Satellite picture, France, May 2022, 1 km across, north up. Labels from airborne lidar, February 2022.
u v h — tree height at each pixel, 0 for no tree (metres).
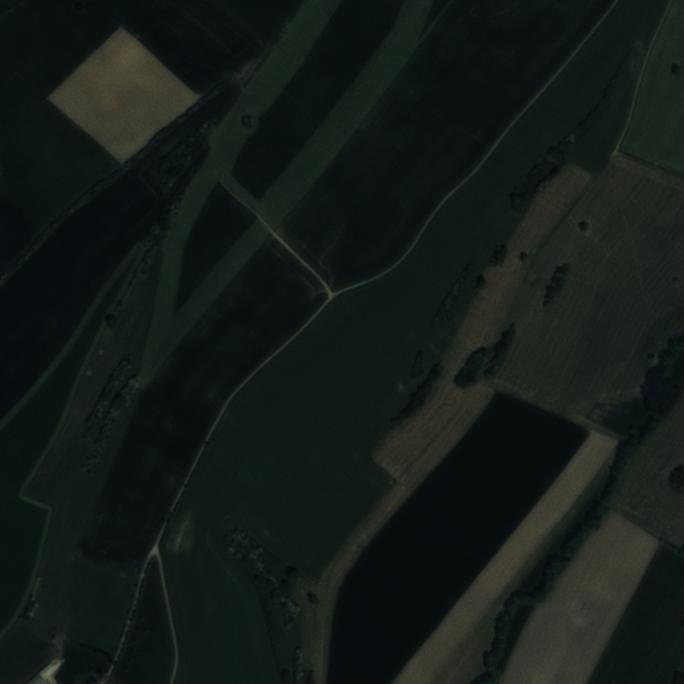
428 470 0
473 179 0
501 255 14
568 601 0
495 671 13
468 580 0
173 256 0
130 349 0
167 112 0
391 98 0
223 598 0
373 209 0
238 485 0
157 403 0
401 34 0
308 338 0
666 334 0
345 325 0
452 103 0
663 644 0
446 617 0
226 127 0
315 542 0
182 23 0
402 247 0
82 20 0
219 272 0
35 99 0
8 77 0
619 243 0
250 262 0
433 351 0
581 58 0
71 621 0
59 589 0
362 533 0
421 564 0
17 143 0
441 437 0
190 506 0
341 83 0
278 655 0
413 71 0
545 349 0
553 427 0
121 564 0
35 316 0
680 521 0
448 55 0
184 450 0
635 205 0
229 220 0
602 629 0
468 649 0
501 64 0
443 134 0
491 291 0
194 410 0
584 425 0
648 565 0
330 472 0
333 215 0
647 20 0
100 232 0
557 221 0
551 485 0
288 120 0
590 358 0
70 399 0
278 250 0
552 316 0
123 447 0
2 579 0
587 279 0
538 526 0
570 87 0
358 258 0
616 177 0
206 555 0
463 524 0
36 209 0
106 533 0
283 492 0
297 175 0
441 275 0
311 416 0
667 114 0
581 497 0
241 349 0
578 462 0
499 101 0
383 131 0
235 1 0
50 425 0
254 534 0
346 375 0
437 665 0
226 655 0
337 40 0
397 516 0
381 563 0
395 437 0
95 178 0
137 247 0
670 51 0
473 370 8
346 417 0
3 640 0
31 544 0
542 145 0
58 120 0
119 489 0
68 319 0
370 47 0
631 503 0
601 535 0
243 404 0
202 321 0
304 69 0
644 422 0
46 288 0
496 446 0
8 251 0
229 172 0
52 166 0
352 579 0
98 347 0
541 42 0
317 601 10
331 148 0
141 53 0
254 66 0
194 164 0
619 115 0
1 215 0
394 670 0
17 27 0
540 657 0
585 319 0
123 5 0
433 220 0
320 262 0
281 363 0
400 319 0
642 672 0
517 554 0
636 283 0
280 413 0
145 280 0
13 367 0
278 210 0
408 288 0
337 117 0
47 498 0
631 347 0
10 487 0
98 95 0
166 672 0
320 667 0
